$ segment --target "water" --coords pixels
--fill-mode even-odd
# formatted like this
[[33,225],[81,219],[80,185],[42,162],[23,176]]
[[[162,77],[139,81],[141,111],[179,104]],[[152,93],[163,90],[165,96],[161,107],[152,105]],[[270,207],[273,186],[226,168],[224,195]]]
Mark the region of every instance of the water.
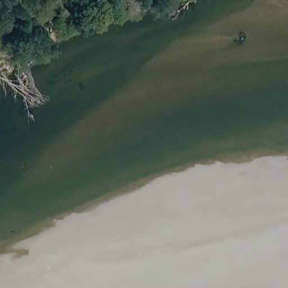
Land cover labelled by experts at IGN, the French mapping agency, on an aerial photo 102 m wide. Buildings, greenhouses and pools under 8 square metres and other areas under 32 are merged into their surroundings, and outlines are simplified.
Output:
[[155,19],[152,13],[147,11],[141,20],[126,21],[124,25],[110,25],[105,33],[87,38],[74,36],[64,40],[60,43],[60,56],[47,64],[35,65],[28,72],[20,73],[18,70],[9,73],[7,69],[0,70],[0,255],[13,253],[16,259],[19,259],[28,254],[28,250],[19,249],[16,243],[54,227],[56,219],[92,210],[103,202],[144,187],[162,175],[183,172],[196,164],[245,163],[263,156],[288,157],[288,0],[196,0],[191,3],[181,2],[175,10],[177,13],[169,20]]

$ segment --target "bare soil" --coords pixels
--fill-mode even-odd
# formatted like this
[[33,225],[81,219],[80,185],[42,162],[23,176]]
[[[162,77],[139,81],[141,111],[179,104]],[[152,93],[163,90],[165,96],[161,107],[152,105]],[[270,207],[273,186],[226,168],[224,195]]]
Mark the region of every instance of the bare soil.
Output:
[[19,249],[28,250],[28,254],[19,259],[16,259],[13,253],[0,255],[0,288],[288,288],[288,157],[263,156],[245,163],[196,164],[183,172],[162,175],[144,187],[103,202],[92,210],[56,219],[54,227],[16,243]]

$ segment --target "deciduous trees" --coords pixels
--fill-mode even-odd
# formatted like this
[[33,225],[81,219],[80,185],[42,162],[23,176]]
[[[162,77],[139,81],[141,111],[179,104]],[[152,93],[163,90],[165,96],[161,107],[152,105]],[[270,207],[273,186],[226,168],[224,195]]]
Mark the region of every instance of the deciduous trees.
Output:
[[87,38],[105,33],[110,25],[124,25],[126,21],[141,20],[147,11],[152,13],[155,19],[169,20],[177,13],[175,10],[181,2],[191,3],[196,0],[0,0],[0,70],[7,69],[9,73],[18,70],[20,73],[28,72],[35,65],[47,64],[60,56],[60,43],[64,40],[74,36]]

